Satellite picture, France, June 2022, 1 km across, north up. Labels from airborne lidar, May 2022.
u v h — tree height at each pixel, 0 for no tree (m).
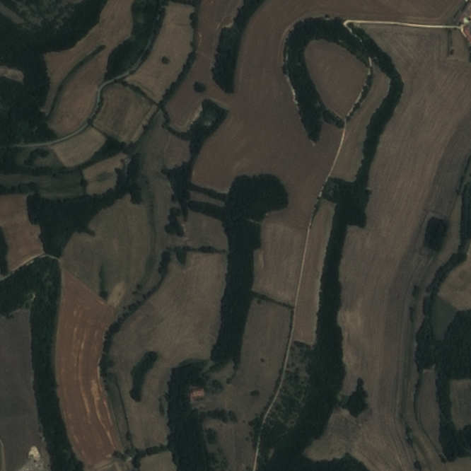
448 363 19
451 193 0
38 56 20
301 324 0
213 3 0
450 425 14
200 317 0
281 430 9
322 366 10
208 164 0
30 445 0
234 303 17
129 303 0
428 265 0
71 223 16
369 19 0
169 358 0
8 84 8
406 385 0
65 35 19
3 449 0
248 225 14
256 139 0
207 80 0
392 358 0
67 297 0
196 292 0
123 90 0
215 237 0
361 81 0
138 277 0
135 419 0
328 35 13
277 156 0
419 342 17
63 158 0
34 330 11
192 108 0
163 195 0
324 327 12
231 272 16
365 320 0
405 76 0
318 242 0
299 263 0
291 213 0
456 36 0
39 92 14
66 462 20
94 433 0
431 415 0
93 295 0
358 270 0
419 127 0
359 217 13
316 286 0
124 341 0
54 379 19
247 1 14
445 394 18
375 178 0
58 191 0
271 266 0
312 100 9
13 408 0
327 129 0
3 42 12
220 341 15
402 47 0
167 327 0
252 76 0
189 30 0
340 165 0
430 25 0
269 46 0
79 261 0
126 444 0
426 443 0
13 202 0
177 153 0
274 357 0
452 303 0
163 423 0
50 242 14
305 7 0
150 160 0
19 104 16
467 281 0
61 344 0
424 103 0
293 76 12
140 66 7
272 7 0
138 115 0
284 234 0
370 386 0
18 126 8
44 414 16
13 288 14
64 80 0
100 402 0
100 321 0
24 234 0
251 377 0
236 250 17
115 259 0
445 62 0
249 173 0
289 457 20
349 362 0
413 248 0
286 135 0
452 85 0
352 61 0
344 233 20
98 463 0
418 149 0
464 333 9
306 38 13
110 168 0
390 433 0
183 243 0
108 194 8
